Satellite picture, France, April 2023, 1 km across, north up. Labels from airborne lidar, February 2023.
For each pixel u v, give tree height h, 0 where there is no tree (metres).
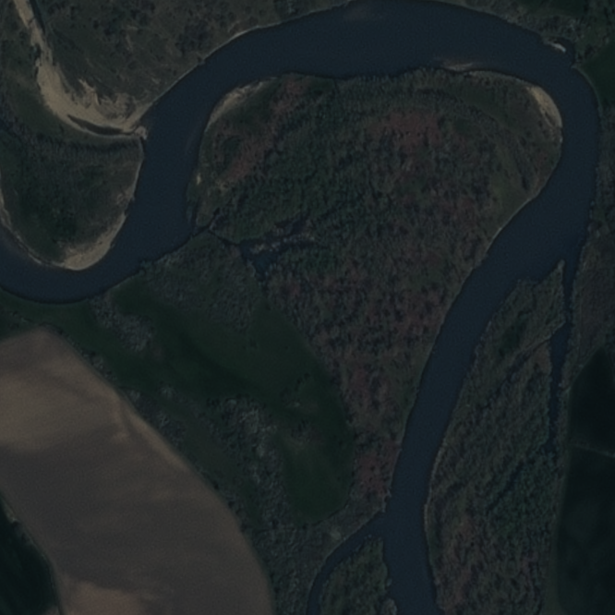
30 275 0
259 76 0
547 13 0
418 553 0
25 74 0
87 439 0
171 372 0
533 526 21
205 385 0
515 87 0
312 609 0
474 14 0
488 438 21
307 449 0
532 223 0
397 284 21
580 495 0
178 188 0
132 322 6
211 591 0
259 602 0
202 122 0
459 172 23
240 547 0
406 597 0
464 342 0
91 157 23
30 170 9
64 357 0
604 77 0
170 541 0
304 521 0
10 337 0
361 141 28
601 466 0
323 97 12
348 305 19
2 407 0
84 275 0
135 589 0
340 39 0
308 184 14
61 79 0
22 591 0
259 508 9
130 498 0
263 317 0
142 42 0
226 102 0
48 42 0
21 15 0
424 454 0
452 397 0
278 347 0
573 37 12
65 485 0
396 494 0
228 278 6
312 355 0
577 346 6
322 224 14
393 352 24
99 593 0
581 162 0
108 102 0
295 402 8
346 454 0
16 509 0
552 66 0
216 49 0
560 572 0
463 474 19
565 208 0
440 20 0
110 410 0
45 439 0
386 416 13
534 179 24
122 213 0
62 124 0
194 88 0
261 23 0
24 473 0
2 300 0
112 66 0
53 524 0
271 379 0
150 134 0
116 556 0
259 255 0
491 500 24
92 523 0
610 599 0
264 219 17
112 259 0
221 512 0
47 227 0
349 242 26
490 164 0
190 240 8
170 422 6
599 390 0
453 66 0
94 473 0
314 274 16
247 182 9
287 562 12
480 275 0
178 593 0
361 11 0
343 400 10
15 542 0
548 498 20
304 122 15
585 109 0
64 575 0
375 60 0
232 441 16
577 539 0
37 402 0
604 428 0
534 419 13
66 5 6
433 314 24
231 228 21
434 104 24
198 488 0
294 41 0
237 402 7
